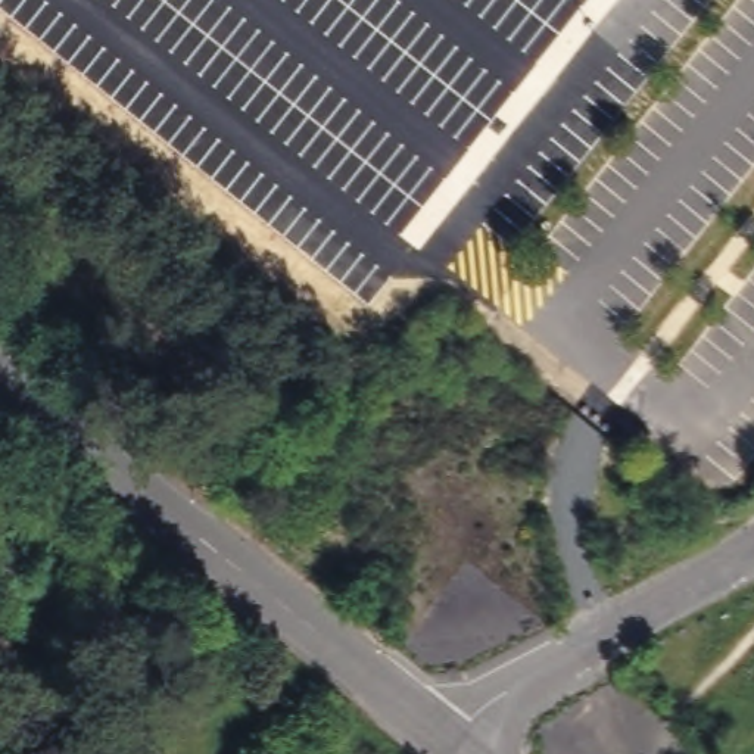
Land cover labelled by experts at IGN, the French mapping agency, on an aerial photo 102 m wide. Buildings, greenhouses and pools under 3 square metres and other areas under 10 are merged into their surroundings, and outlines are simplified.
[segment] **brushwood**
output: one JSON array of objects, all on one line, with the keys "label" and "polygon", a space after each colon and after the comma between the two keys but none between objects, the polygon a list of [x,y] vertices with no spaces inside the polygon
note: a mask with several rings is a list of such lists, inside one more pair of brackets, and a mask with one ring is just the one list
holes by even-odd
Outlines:
[{"label": "brushwood", "polygon": [[624,692],[633,704],[648,707],[651,716],[663,716],[663,722],[674,733],[674,745],[663,754],[722,754],[716,748],[719,736],[725,736],[733,727],[733,719],[725,710],[713,710],[701,698],[695,698],[692,692],[686,686],[672,686],[663,680],[663,672],[657,672],[657,666],[663,660],[663,651],[651,645],[636,651],[621,669],[616,669],[616,683],[616,689]]},{"label": "brushwood", "polygon": [[542,624],[554,627],[568,621],[574,613],[566,568],[557,551],[557,530],[542,504],[524,504],[521,518],[533,530],[533,536],[518,539],[521,548],[536,551],[536,577],[530,580],[530,598],[539,613]]}]

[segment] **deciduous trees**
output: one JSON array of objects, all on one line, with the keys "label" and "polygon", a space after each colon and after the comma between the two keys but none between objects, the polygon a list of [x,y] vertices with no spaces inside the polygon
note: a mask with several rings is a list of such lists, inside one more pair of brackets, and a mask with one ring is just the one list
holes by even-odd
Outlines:
[{"label": "deciduous trees", "polygon": [[704,486],[692,471],[672,477],[663,468],[660,448],[636,445],[636,454],[610,451],[610,465],[604,468],[607,477],[616,495],[630,495],[642,504],[633,512],[616,518],[598,512],[577,527],[577,545],[589,560],[621,563],[624,548],[642,539],[666,539],[672,530],[698,533],[704,521],[725,515],[733,504],[722,501],[716,486]]},{"label": "deciduous trees", "polygon": [[754,218],[754,212],[748,206],[725,203],[716,218],[736,233]]},{"label": "deciduous trees", "polygon": [[563,215],[586,215],[589,200],[583,186],[577,180],[568,183],[560,194],[554,194],[554,200],[539,212],[542,224],[560,221]]},{"label": "deciduous trees", "polygon": [[539,227],[524,230],[518,239],[512,239],[512,244],[504,247],[510,277],[527,286],[545,283],[557,271],[557,247]]},{"label": "deciduous trees", "polygon": [[666,62],[657,65],[654,74],[648,74],[645,85],[657,103],[672,103],[680,94],[680,68]]},{"label": "deciduous trees", "polygon": [[616,133],[601,138],[610,156],[624,159],[636,150],[633,124],[627,118]]},{"label": "deciduous trees", "polygon": [[380,633],[386,645],[401,648],[409,639],[409,624],[415,563],[412,539],[415,533],[421,533],[427,521],[421,518],[412,501],[406,474],[433,459],[439,451],[468,454],[468,448],[486,430],[498,430],[501,442],[486,448],[480,457],[483,471],[521,480],[530,474],[548,477],[548,442],[566,436],[568,421],[580,412],[580,404],[563,398],[554,386],[548,386],[533,359],[521,353],[515,345],[507,345],[474,306],[462,309],[457,297],[448,297],[442,306],[421,312],[409,324],[406,336],[401,339],[401,348],[371,348],[353,353],[350,339],[327,324],[327,315],[318,300],[297,297],[297,292],[286,295],[265,283],[265,277],[253,268],[256,250],[244,242],[244,236],[230,233],[215,215],[206,215],[194,197],[156,180],[153,168],[162,156],[153,156],[150,147],[133,141],[121,124],[103,121],[88,106],[74,106],[71,91],[59,74],[53,74],[41,62],[24,62],[21,56],[15,56],[12,41],[0,35],[0,754],[165,754],[165,716],[174,710],[186,710],[186,704],[197,695],[212,695],[215,680],[233,683],[236,677],[242,677],[244,683],[244,713],[233,716],[221,727],[221,748],[215,754],[401,754],[409,751],[406,745],[398,745],[348,695],[342,695],[342,689],[330,680],[330,674],[321,666],[300,663],[295,654],[289,654],[280,633],[268,636],[259,630],[242,630],[233,613],[224,607],[224,601],[212,595],[206,583],[209,574],[200,577],[194,571],[194,563],[168,548],[141,545],[135,527],[124,518],[124,507],[118,507],[121,492],[109,486],[103,465],[91,454],[85,454],[82,424],[68,415],[71,406],[77,412],[85,412],[88,404],[106,409],[106,421],[118,424],[121,448],[130,457],[147,457],[159,468],[159,474],[186,480],[189,489],[206,489],[209,512],[215,518],[230,521],[247,533],[256,530],[259,539],[271,545],[274,557],[280,557],[289,568],[300,568],[303,574],[309,574],[309,580],[324,592],[327,607],[339,616],[342,624],[371,627]]}]

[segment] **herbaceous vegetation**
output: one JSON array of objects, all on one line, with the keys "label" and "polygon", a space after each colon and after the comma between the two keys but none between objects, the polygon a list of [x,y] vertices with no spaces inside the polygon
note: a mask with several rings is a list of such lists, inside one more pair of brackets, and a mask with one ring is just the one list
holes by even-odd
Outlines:
[{"label": "herbaceous vegetation", "polygon": [[[680,256],[677,265],[663,271],[663,286],[657,289],[648,309],[636,312],[633,321],[624,330],[619,330],[621,345],[630,348],[636,356],[645,353],[663,380],[672,380],[680,371],[680,356],[692,348],[704,327],[725,321],[725,292],[710,283],[707,271],[725,250],[725,244],[736,239],[736,233],[716,218],[716,224],[701,236],[701,242],[686,256]],[[663,342],[660,324],[683,297],[692,297],[698,309],[674,342]]]},{"label": "herbaceous vegetation", "polygon": [[577,180],[583,186],[592,174],[598,174],[598,168],[610,156],[601,138],[574,168]]},{"label": "herbaceous vegetation", "polygon": [[725,736],[719,736],[716,748],[722,754],[754,754],[754,648],[701,698],[713,710],[725,710],[733,719],[733,727]]},{"label": "herbaceous vegetation", "polygon": [[680,68],[704,38],[698,24],[680,44],[666,47],[666,62]]},{"label": "herbaceous vegetation", "polygon": [[663,660],[657,666],[657,672],[663,672],[663,680],[672,686],[686,686],[692,692],[695,683],[754,624],[754,583],[663,630],[654,630],[651,645],[663,651]]},{"label": "herbaceous vegetation", "polygon": [[657,103],[645,85],[633,94],[630,106],[624,109],[627,118],[633,124],[645,118],[651,103]]},{"label": "herbaceous vegetation", "polygon": [[427,607],[445,592],[445,586],[462,566],[477,566],[510,598],[539,613],[530,598],[530,580],[536,577],[536,551],[521,548],[518,539],[533,536],[533,530],[521,518],[524,504],[542,504],[551,486],[548,477],[530,474],[521,480],[483,471],[480,457],[486,448],[501,442],[498,430],[486,430],[468,448],[468,454],[439,451],[433,459],[406,474],[412,501],[421,518],[427,521],[421,533],[415,533],[412,539],[415,563],[409,624],[427,613]]},{"label": "herbaceous vegetation", "polygon": [[542,710],[530,725],[527,754],[548,754],[542,739],[545,725],[557,722],[571,707],[580,707],[586,698],[616,683],[616,669],[607,663],[604,677]]},{"label": "herbaceous vegetation", "polygon": [[212,695],[197,695],[186,704],[186,710],[174,710],[165,716],[165,754],[215,754],[221,748],[221,727],[233,716],[244,713],[244,683],[242,677],[236,677],[233,683],[215,680]]},{"label": "herbaceous vegetation", "polygon": [[704,521],[698,533],[672,530],[666,539],[642,539],[624,548],[621,563],[589,560],[595,580],[610,595],[621,595],[683,560],[713,551],[719,542],[725,542],[745,521],[754,518],[754,495],[733,504],[725,515]]},{"label": "herbaceous vegetation", "polygon": [[601,480],[598,495],[592,501],[598,512],[616,518],[633,512],[642,504],[630,495],[616,495],[607,477]]}]

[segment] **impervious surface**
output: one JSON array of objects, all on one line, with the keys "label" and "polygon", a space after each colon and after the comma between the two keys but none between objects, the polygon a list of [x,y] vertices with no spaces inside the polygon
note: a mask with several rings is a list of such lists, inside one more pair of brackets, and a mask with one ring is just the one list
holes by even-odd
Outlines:
[{"label": "impervious surface", "polygon": [[754,648],[754,624],[695,683],[692,692],[695,698],[701,698]]},{"label": "impervious surface", "polygon": [[[560,221],[542,224],[539,212],[554,200],[554,194],[560,194],[568,183],[577,180],[574,168],[601,138],[616,133],[627,118],[624,109],[630,106],[633,94],[645,85],[648,74],[654,74],[657,65],[666,62],[666,47],[680,44],[698,24],[704,38],[680,68],[680,94],[672,103],[657,103],[651,103],[645,118],[633,124],[636,150],[624,159],[610,156],[598,168],[598,174],[592,174],[583,186],[589,200],[586,215],[563,215]],[[353,353],[371,348],[401,348],[401,339],[406,336],[409,324],[421,312],[442,306],[448,297],[457,297],[462,309],[474,306],[507,345],[515,345],[521,353],[533,359],[548,386],[554,386],[563,398],[580,404],[580,412],[568,421],[566,436],[548,442],[548,477],[551,486],[542,504],[557,530],[557,551],[566,568],[574,613],[568,621],[554,627],[542,624],[539,613],[510,598],[477,566],[462,566],[445,586],[445,592],[427,607],[427,613],[409,624],[409,639],[401,648],[386,645],[380,633],[371,627],[342,624],[339,616],[327,607],[324,592],[309,580],[309,574],[303,574],[300,568],[289,568],[280,557],[274,557],[271,545],[259,539],[256,530],[247,533],[230,521],[215,518],[209,512],[206,489],[189,489],[186,480],[159,474],[159,468],[147,457],[130,457],[121,448],[118,424],[106,421],[106,409],[88,404],[85,412],[77,412],[71,406],[68,415],[82,424],[85,454],[91,454],[103,465],[109,486],[121,492],[118,507],[124,507],[124,518],[135,527],[141,545],[168,548],[194,563],[194,571],[200,577],[209,574],[206,583],[212,595],[224,601],[224,607],[233,613],[242,630],[259,630],[268,636],[280,633],[289,654],[295,654],[300,663],[321,666],[330,674],[330,680],[342,689],[342,695],[348,695],[398,745],[406,745],[409,751],[401,754],[527,754],[530,725],[542,710],[604,677],[607,663],[616,669],[621,669],[636,651],[651,645],[654,630],[663,630],[754,583],[754,518],[745,521],[725,542],[719,542],[713,551],[683,560],[621,595],[610,595],[595,580],[589,560],[577,545],[577,527],[598,512],[592,501],[598,495],[601,480],[607,477],[604,468],[610,465],[610,451],[636,454],[636,445],[660,448],[663,468],[672,477],[692,471],[704,486],[716,486],[722,501],[733,504],[754,495],[754,218],[736,233],[736,239],[725,244],[725,250],[707,271],[710,283],[725,292],[725,321],[704,327],[692,348],[680,356],[680,371],[672,380],[663,380],[645,353],[636,356],[630,348],[621,345],[619,330],[624,330],[633,321],[636,312],[648,309],[657,289],[663,286],[663,271],[677,265],[680,256],[686,256],[701,242],[701,236],[716,224],[716,218],[725,203],[748,206],[754,212],[754,0],[0,0],[0,35],[12,41],[15,56],[21,56],[24,62],[41,62],[53,74],[59,74],[71,91],[74,106],[88,106],[103,121],[121,124],[133,141],[150,147],[153,156],[162,156],[153,168],[156,180],[194,197],[206,215],[215,215],[230,233],[244,236],[244,242],[256,250],[253,268],[265,277],[265,283],[286,295],[297,292],[297,297],[318,300],[327,315],[327,324],[350,339]],[[557,247],[557,271],[545,283],[527,286],[510,277],[504,247],[512,244],[512,239],[518,239],[524,230],[539,227]]]},{"label": "impervious surface", "polygon": [[586,698],[580,707],[571,707],[557,722],[545,725],[542,739],[548,754],[663,754],[674,745],[674,733],[663,722],[663,716],[651,716],[648,707],[633,704],[624,692],[616,689],[616,683]]},{"label": "impervious surface", "polygon": [[660,324],[663,342],[674,342],[698,309],[692,297],[683,297]]}]

